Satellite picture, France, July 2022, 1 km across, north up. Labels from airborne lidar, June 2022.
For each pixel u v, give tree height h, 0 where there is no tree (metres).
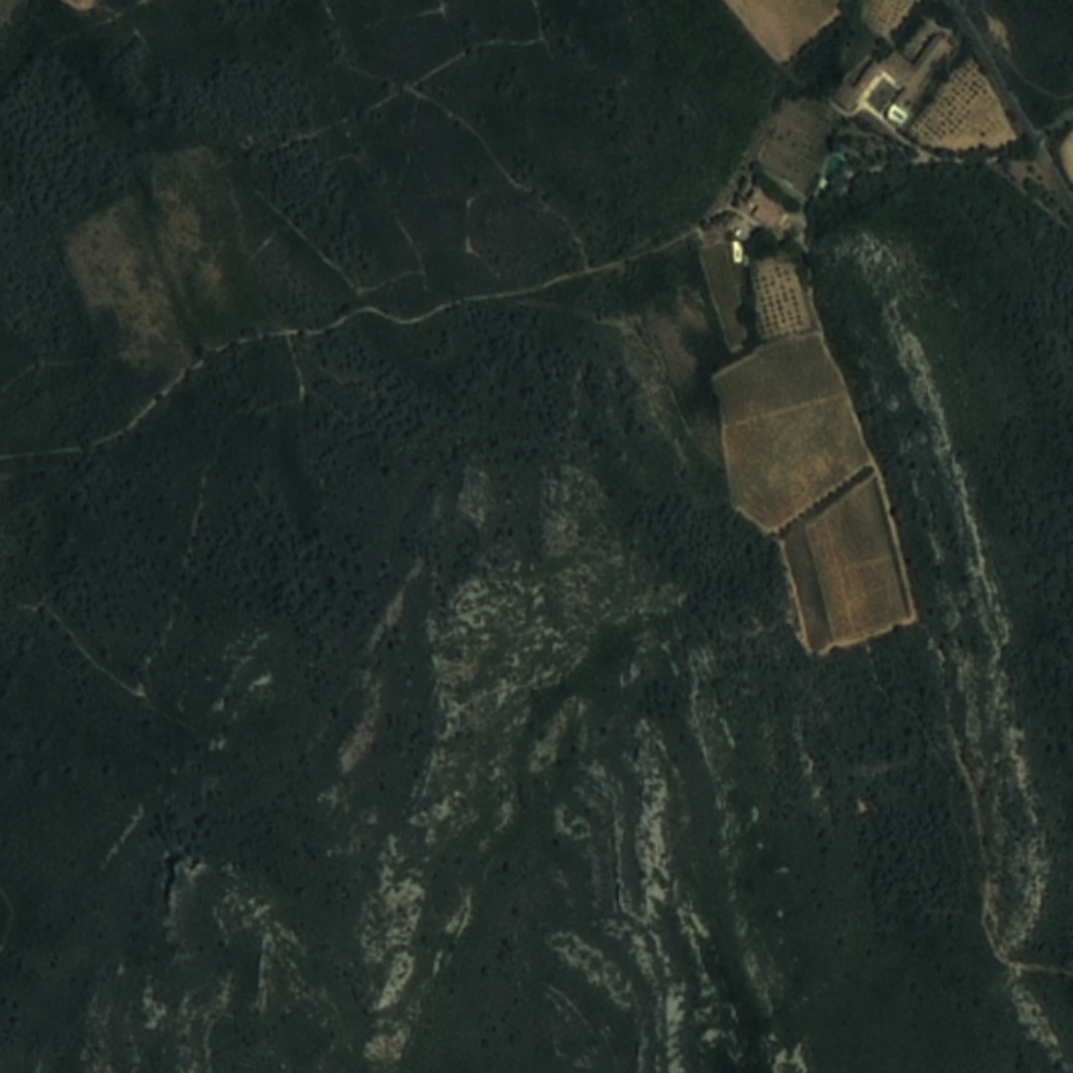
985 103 0
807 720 7
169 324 0
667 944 0
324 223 10
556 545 0
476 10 0
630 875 0
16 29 6
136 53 12
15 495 6
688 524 13
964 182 6
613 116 8
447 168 0
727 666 8
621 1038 0
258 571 12
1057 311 12
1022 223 13
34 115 11
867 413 11
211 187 0
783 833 0
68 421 10
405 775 0
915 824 13
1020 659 16
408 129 0
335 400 9
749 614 7
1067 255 12
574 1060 0
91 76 9
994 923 0
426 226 0
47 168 13
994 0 0
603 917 0
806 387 0
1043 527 11
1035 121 6
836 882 0
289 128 11
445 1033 0
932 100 10
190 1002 0
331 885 8
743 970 0
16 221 10
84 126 10
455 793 0
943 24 10
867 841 9
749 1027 7
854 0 7
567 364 10
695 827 0
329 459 9
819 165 0
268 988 0
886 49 15
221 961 0
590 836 0
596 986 0
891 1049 0
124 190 9
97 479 10
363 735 0
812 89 9
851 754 8
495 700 0
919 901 14
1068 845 8
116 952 0
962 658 0
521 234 0
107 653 12
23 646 9
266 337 7
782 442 0
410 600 0
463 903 0
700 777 0
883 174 12
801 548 0
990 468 9
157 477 7
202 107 9
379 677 0
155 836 12
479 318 10
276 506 9
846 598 0
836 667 9
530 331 10
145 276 0
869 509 0
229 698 7
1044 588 14
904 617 0
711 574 14
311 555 12
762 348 0
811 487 0
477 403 9
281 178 12
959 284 10
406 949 0
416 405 7
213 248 0
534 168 9
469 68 0
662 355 0
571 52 9
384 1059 0
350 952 0
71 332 6
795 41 0
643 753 0
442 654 0
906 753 9
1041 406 7
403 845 0
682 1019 0
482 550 9
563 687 5
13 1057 0
